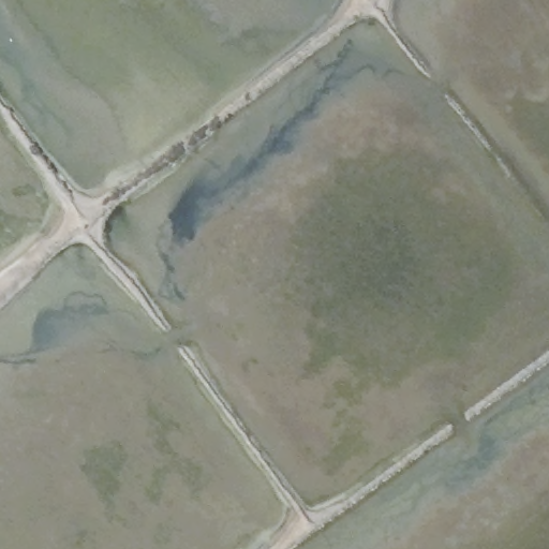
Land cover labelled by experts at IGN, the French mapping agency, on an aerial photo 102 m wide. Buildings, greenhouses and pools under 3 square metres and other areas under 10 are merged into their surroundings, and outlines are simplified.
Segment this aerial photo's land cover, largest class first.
<instances>
[{"label":"water","instance_id":"1","mask_svg":"<svg viewBox=\"0 0 549 549\"><path fill-rule=\"evenodd\" d=\"M345 0H0V88L11 97L13 107L26 118L28 127L41 139L58 157V161L64 165V169L73 176V180L79 187H99L109 172L129 165L131 161L144 159L161 144H165L172 135L184 131L191 122L199 120L212 105L221 101L225 92L240 86L242 81L259 79L277 62L292 56L311 36L328 28V24L339 13ZM392 24L399 39L431 71V77H422L414 66H410L405 56L392 45L390 36L384 32L382 24L375 17H354V21L347 24L339 34H335L326 45H322L302 62L292 66L268 88L259 90L257 97L247 94L244 105L240 109L227 114L225 118L212 120L210 124L214 135L202 157H191L184 167L172 163L167 169L150 178L146 176V172H139L133 180H129L122 187H116L112 195L105 197L103 210L109 217L105 219L103 238L105 251L112 255V259L133 270L139 281V292L148 298H154L163 320L169 324L167 332H157L150 328L146 317L137 311L135 302L101 270V266L94 264L97 255L84 242L64 244L60 251L43 259L36 266L32 281L13 300H6L0 294V549H262L255 543V536L277 521L281 502L266 483V478L259 474L255 463H251L249 455L236 442L232 431L221 422V416L212 410L210 401L199 392L197 380L178 356V347H191L197 354L199 362L206 365L210 382L217 388L219 397L229 405L234 418L242 425L244 433L253 440L257 450L264 457H268L272 465L287 478L292 491H296L300 504L305 506L322 504L343 491H350L354 485L369 483L377 472L386 470L399 455L407 452L412 446L420 444L444 425L452 427L450 435H446L442 442L427 448L420 457L412 459L388 480L380 483L373 491L365 493V498H360L356 504L347 506L345 510L328 519L322 528L309 532L296 549H549V362L523 382H519L508 392H504L495 403L485 407L474 418L465 420V410L549 350V0H390ZM446 94H450L461 105L465 116L480 129L487 142L493 148H498V152L513 172L510 178L502 180L498 169L483 159L480 150L463 133V129L455 122L450 109L446 107ZM51 195L47 191L43 176L34 167L26 165V161L21 159V146L17 144V139L0 124V255L6 249L15 247L24 236H30V232L26 229L28 221H43Z\"/></svg>","mask_w":549,"mask_h":549},{"label":"pervious surface","instance_id":"2","mask_svg":"<svg viewBox=\"0 0 549 549\"><path fill-rule=\"evenodd\" d=\"M354 17H375L382 24L384 32L390 36L392 45L405 56L410 66H414L422 77H431V71L399 39L392 24L390 0H345L339 13L328 24V28L311 36L292 56L277 62L259 79L242 81L240 86L225 92L221 101L212 105L199 120L191 122L184 131L172 135L165 144H161L144 159L131 161L129 165L109 172L99 187H79L73 180V176L64 169V165L58 161V174H51L45 161L32 150V144L41 139L28 127L26 118L13 107L11 97L0 88V124L17 139V144L21 146V159L26 161V165L34 167L43 176L47 191L51 195L43 221H28L26 229L30 232V236H24L15 247L6 249L0 255V294L6 300H13L32 281L36 266L43 259L60 251L64 244L84 242L97 255L94 264L101 266V270L135 302L137 311L146 317L150 328L157 332H167L169 324L163 320L154 298H148L139 292V281L133 270L112 259V255L105 251L103 238L105 219L109 217L103 210L105 197L112 195L116 187H122L129 180H133L139 172H146L176 144L189 142L195 131H199L204 124H210L212 120L225 118L227 114L240 109L244 105L247 94L257 97L259 90L268 88L292 66L302 62L322 45H326L335 34H339L347 24L354 21ZM446 107L450 109L455 122L463 129V133L480 150L483 159L498 169L502 180L510 178L513 172L498 152V148H493L487 142L480 129L465 116L461 105L450 94H446ZM178 356L197 380L199 392L210 401L212 410L221 416V422L232 431L236 442L249 455L251 463H255L259 474L266 478V483L281 502L277 521L255 536V543L262 549H296L309 532L322 528L328 519L345 510L347 506L356 504L360 498H365V493L373 491L380 483L388 480L412 459L420 457L427 448L442 442L446 435H450L452 427L444 425L420 444L412 446L407 452L399 455L386 470L377 472L369 483L354 485L350 491H343L322 504L305 506L300 504L296 491H292L287 478L272 465L268 457H264L257 450L253 440L244 433L242 425L234 418L229 405L219 397L217 388L210 382L206 365L199 362L197 354L191 347H178ZM549 362V350L465 410V420L474 418L485 407L495 403L504 392H508L519 382H523Z\"/></svg>","mask_w":549,"mask_h":549},{"label":"brushwood","instance_id":"3","mask_svg":"<svg viewBox=\"0 0 549 549\"><path fill-rule=\"evenodd\" d=\"M214 135L210 124H204L199 131H195L189 142L176 144L146 172V176L150 178L167 169L172 163L184 167L191 157H202ZM32 150L45 161L51 174H58V157L41 139L32 144Z\"/></svg>","mask_w":549,"mask_h":549}]
</instances>
